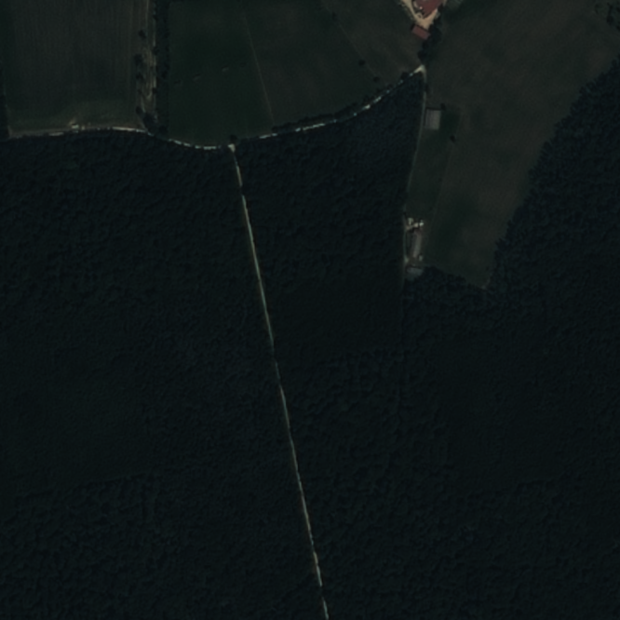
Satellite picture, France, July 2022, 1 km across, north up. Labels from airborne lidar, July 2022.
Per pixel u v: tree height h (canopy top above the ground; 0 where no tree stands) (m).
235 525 19
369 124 20
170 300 21
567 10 0
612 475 19
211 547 20
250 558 19
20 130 0
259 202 27
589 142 23
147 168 23
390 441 24
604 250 24
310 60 0
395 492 19
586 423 19
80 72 0
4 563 23
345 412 27
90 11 0
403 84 11
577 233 29
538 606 27
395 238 27
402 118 21
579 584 22
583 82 0
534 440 15
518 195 0
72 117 0
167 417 19
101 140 22
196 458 18
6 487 14
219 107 0
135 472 11
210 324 25
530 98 0
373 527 24
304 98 0
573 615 23
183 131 0
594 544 28
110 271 28
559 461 16
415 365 24
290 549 19
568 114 0
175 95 0
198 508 22
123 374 21
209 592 18
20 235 23
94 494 23
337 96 0
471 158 0
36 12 0
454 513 26
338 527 24
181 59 0
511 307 21
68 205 22
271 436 21
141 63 21
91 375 14
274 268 24
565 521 26
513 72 0
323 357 14
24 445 17
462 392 15
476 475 16
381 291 13
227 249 20
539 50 0
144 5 0
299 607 21
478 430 18
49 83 0
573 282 23
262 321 20
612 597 25
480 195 0
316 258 29
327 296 15
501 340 19
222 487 19
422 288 25
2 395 18
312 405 22
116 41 0
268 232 23
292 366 18
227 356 17
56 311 22
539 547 21
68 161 25
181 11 0
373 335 12
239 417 21
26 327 18
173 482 22
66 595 26
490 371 15
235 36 0
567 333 24
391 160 21
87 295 24
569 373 17
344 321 14
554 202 27
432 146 0
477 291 11
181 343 23
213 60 0
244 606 18
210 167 22
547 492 23
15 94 0
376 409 25
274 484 22
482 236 0
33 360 13
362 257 27
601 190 21
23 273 23
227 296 22
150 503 26
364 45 0
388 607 28
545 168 21
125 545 24
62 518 23
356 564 19
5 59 0
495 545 26
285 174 28
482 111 0
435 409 16
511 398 19
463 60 0
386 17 0
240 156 22
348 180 25
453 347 19
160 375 24
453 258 0
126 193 25
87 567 28
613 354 22
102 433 14
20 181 13
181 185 22
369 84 0
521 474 14
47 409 16
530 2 0
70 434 16
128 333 20
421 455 22
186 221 23
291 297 16
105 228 21
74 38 0
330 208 26
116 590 22
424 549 22
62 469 17
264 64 0
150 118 18
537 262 24
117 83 0
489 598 27
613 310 17
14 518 23
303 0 0
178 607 25
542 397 19
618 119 22
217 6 0
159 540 24
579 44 0
